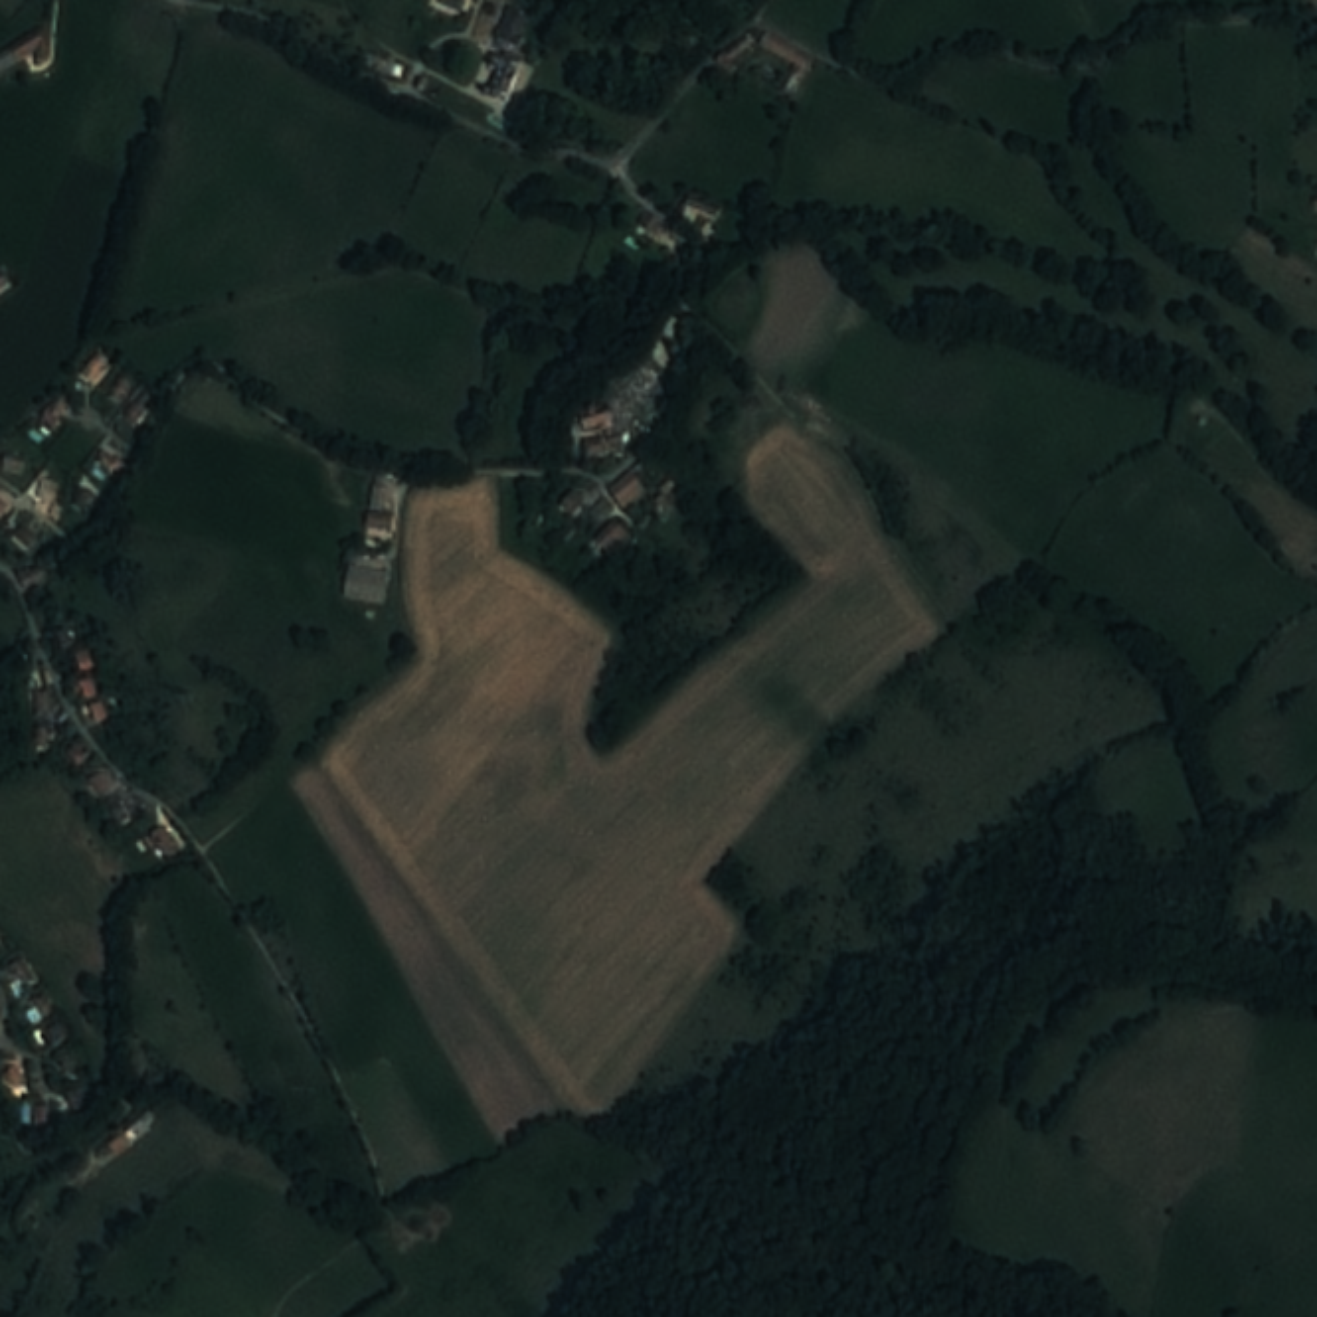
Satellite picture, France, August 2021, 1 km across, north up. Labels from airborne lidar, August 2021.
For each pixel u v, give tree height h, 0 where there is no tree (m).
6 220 0
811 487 0
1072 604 16
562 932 0
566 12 24
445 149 0
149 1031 0
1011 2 0
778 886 0
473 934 0
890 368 0
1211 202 0
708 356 25
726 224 0
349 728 0
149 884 15
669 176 0
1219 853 12
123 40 0
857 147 0
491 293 20
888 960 8
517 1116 0
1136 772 0
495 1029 0
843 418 0
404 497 0
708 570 7
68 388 7
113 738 8
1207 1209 0
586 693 0
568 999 0
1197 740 23
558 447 18
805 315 0
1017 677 0
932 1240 28
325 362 0
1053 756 0
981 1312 23
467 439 17
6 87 0
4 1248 11
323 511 0
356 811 0
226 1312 0
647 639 8
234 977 0
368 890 0
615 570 15
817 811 0
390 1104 0
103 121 0
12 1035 9
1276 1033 0
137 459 15
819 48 0
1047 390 0
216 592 0
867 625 0
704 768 0
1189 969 16
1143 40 16
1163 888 12
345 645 0
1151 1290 0
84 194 0
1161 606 0
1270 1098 0
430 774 0
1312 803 0
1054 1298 28
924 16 0
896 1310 23
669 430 12
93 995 17
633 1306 14
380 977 0
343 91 14
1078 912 26
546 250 0
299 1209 8
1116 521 0
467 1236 0
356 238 0
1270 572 0
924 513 0
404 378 0
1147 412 0
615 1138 20
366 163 0
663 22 29
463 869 0
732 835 0
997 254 20
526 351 21
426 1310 0
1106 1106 0
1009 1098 14
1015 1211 0
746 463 0
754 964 7
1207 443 0
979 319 23
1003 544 0
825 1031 21
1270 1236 0
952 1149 15
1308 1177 0
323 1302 0
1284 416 0
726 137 0
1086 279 18
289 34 14
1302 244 0
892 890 7
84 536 7
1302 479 21
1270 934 15
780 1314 22
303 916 0
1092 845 13
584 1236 0
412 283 0
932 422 0
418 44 0
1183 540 0
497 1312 0
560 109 27
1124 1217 0
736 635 7
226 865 0
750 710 0
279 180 0
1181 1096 0
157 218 0
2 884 0
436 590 0
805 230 23
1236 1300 0
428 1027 0
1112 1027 0
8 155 0
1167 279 0
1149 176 0
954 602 0
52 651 6
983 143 0
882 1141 23
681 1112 20
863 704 0
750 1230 25
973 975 19
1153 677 23
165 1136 0
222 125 0
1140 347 18
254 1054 0
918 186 0
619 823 0
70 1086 8
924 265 14
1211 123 0
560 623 0
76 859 0
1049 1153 0
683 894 0
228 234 0
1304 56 12
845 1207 28
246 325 0
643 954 0
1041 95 0
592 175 13
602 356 16
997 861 9
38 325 0
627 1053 0
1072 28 0
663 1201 24
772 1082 17
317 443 11
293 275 0
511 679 0
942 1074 19
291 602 0
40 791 0
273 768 0
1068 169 22
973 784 0
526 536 10
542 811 0
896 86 13
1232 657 0
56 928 0
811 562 0
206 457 0
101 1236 0
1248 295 23
